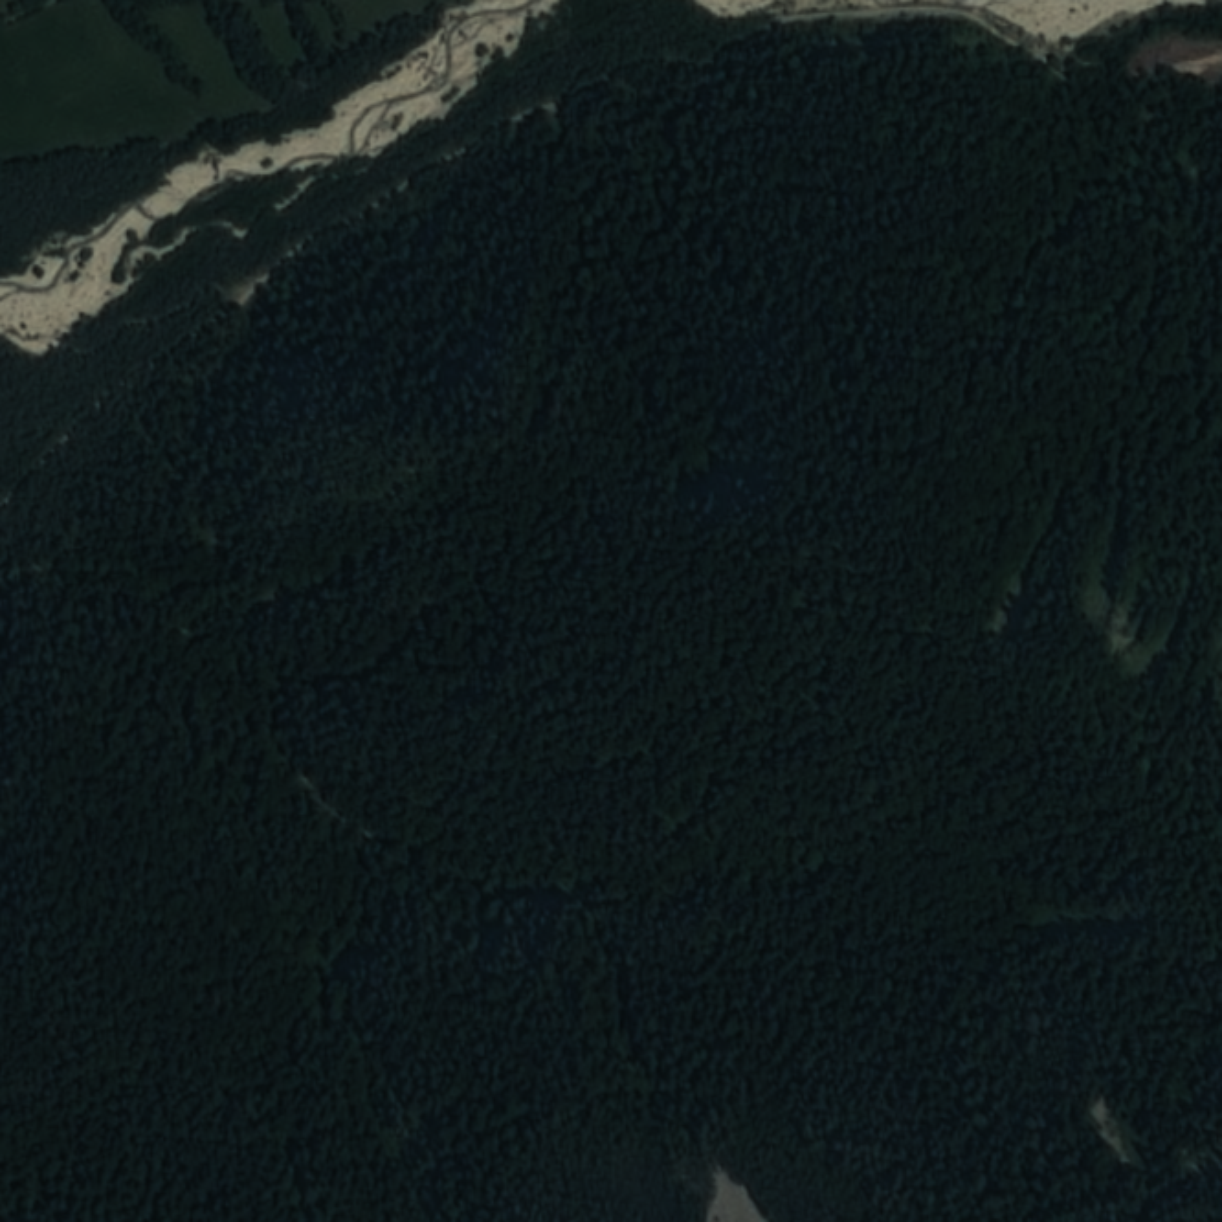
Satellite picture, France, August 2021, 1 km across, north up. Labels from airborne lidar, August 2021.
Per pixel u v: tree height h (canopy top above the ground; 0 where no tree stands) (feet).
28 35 0
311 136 0
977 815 65
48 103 0
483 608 87
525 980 60
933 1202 31
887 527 63
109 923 72
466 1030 50
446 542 89
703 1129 93
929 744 78
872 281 56
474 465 66
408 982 61
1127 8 0
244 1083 48
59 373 33
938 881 87
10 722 88
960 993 82
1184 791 68
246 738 63
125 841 59
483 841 61
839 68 65
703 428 58
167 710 86
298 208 25
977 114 83
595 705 71
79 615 96
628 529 76
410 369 59
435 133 29
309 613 79
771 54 50
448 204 41
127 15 63
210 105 0
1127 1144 0
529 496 94
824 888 80
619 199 51
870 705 84
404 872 54
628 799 88
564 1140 30
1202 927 58
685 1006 72
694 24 23
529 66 22
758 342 44
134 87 0
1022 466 70
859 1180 34
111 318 25
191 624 31
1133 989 85
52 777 78
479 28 0
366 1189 66
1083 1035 81
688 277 61
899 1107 70
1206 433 84
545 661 95
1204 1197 27
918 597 56
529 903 85
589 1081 69
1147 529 51
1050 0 0
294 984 78
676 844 65
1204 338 67
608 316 69
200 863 63
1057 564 41
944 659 79
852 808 103
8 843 59
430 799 86
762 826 74
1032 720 64
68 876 57
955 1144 54
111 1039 83
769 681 67
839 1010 67
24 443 34
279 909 81
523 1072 48
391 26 35
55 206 31
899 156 76
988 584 71
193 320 38
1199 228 51
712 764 82
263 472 115
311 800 51
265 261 27
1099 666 32
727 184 43
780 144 77
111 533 49
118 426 32
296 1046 61
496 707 70
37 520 46
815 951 56
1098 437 77
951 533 56
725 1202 0
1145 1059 55
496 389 55
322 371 67
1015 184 59
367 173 20
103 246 0
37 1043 87
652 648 54
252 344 23
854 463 60
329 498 68
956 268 88
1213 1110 48
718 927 48
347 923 82
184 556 72
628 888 72
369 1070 38
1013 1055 31
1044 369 79
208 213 20
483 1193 74
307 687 75
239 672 30
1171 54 0
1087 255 47
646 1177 19
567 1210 28
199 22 0
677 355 62
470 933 47
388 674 89
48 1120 67
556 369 93
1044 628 68
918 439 64
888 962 84
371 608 87
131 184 33
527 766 93
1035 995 77
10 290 0
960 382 65
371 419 60
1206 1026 44
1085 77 52
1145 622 43
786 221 79
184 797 68
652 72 52
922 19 21
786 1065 31
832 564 40
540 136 61
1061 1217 68
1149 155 88
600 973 110
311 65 41
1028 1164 61
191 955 73
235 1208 84
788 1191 20
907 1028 73
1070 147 51
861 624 77
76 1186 85
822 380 70
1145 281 56
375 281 27
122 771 53
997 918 68
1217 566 72
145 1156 75
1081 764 66
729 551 66
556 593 88
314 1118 68
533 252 44
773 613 78
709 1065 59
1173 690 56
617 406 66
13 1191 92
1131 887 63
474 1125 69
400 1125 76
